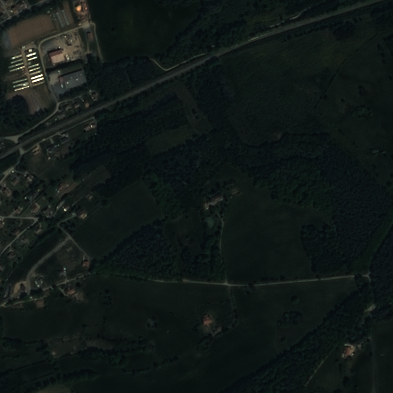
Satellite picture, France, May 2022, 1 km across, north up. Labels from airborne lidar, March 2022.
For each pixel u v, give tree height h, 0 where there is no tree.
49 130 0
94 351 20
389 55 0
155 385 0
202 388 0
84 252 0
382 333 0
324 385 0
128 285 0
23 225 0
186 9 0
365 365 0
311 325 0
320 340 21
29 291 0
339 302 0
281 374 21
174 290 0
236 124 0
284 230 0
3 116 16
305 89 0
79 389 0
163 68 0
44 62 0
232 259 0
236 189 0
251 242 0
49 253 0
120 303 0
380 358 0
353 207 20
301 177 24
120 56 0
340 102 0
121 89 22
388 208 19
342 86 0
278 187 23
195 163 33
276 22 0
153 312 0
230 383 0
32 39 0
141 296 0
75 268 0
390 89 0
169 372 0
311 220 0
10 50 0
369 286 11
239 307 0
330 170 25
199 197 10
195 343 0
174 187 30
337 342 18
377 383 0
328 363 0
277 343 0
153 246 27
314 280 0
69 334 0
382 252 22
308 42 0
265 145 16
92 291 0
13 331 0
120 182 15
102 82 20
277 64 0
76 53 0
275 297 0
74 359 0
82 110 6
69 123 0
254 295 0
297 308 0
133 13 0
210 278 13
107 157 26
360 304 22
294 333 0
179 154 27
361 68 0
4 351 0
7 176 0
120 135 14
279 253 0
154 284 0
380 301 18
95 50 0
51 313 0
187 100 0
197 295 0
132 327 0
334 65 0
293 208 0
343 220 17
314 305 0
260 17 0
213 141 8
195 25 19
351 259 17
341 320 22
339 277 0
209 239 22
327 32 0
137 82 24
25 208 0
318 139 17
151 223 0
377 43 0
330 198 18
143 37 0
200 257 8
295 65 0
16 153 9
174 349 0
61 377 15
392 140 0
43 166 0
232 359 0
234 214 0
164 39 0
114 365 21
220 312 0
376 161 0
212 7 29
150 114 17
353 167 18
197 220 0
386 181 0
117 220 0
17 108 25
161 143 0
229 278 0
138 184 0
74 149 6
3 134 0
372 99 0
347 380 18
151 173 20
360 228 21
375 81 0
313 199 22
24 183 0
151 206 0
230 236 0
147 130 7
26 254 0
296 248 0
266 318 0
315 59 0
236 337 0
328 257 22
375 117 0
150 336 0
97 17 0
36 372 0
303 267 0
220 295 0
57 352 0
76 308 0
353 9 0
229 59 0
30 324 0
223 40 20
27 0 0
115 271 18
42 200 0
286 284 0
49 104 0
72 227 8
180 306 0
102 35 0
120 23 0
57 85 0
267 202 0
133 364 0
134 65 25
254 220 0
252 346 0
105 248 0
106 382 0
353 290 0
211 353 0
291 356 21
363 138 0
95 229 0
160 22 0
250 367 0
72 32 0
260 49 0
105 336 0
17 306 0
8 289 0
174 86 0
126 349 0
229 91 20
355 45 0
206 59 0
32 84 0
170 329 0
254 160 19
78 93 21
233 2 17
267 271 0
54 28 0
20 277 0
